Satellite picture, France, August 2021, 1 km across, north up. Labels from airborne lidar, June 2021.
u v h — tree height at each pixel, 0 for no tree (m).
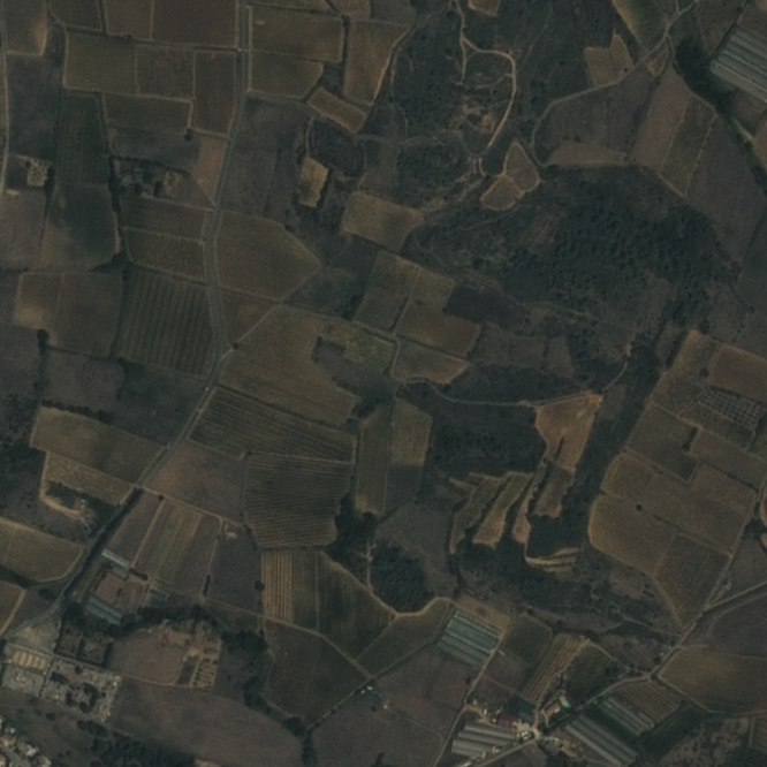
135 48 0
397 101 10
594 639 9
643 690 0
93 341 0
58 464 0
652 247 9
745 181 0
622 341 0
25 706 0
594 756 0
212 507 0
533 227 0
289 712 0
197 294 0
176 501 0
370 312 0
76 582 10
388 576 9
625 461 0
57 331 0
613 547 0
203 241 0
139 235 0
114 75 0
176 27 0
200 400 0
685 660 0
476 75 0
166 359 0
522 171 0
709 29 0
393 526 0
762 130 0
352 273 0
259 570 0
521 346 0
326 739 0
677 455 0
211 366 0
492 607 0
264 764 0
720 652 0
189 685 0
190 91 0
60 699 0
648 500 0
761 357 0
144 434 0
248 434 0
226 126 0
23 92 0
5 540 0
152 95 0
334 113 0
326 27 0
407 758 0
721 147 0
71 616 7
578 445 0
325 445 0
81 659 6
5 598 0
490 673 0
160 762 11
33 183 0
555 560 0
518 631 0
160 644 0
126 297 0
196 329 0
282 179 0
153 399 0
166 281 0
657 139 0
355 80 0
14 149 0
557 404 0
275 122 0
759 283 0
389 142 0
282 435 0
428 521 0
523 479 0
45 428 0
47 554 0
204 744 0
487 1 0
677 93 0
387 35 0
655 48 0
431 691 0
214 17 0
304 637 0
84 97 0
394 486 0
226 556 0
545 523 8
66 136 0
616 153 0
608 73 0
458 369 0
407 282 0
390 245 0
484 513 8
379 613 0
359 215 0
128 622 8
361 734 0
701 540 0
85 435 0
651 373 7
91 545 0
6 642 9
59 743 0
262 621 0
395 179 0
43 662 0
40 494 0
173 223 0
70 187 0
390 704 0
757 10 0
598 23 7
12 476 0
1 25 0
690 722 0
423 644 0
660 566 0
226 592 0
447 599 0
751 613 0
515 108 6
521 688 0
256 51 0
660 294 0
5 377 0
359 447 0
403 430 0
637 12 0
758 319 0
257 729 0
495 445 7
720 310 0
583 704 7
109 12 0
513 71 0
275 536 0
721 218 0
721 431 0
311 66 0
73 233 0
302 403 0
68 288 0
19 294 0
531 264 9
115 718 0
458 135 0
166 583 0
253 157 0
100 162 0
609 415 0
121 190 7
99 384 0
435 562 0
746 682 0
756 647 0
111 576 0
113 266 10
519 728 0
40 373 0
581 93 0
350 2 0
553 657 0
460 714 0
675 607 0
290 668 0
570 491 7
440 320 0
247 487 0
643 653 0
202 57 0
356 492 0
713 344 0
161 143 0
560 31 0
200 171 0
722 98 11
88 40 0
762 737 0
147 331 0
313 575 0
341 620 0
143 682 0
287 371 0
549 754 10
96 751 12
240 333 0
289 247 0
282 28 0
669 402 0
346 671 0
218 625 16
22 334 0
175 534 0
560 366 0
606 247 8
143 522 0
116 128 0
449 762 0
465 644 0
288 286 0
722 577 0
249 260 0
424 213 0
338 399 0
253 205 0
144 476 0
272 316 0
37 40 0
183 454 0
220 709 0
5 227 0
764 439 0
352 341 0
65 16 0
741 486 0
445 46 0
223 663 0
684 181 0
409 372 0
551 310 0
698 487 0
